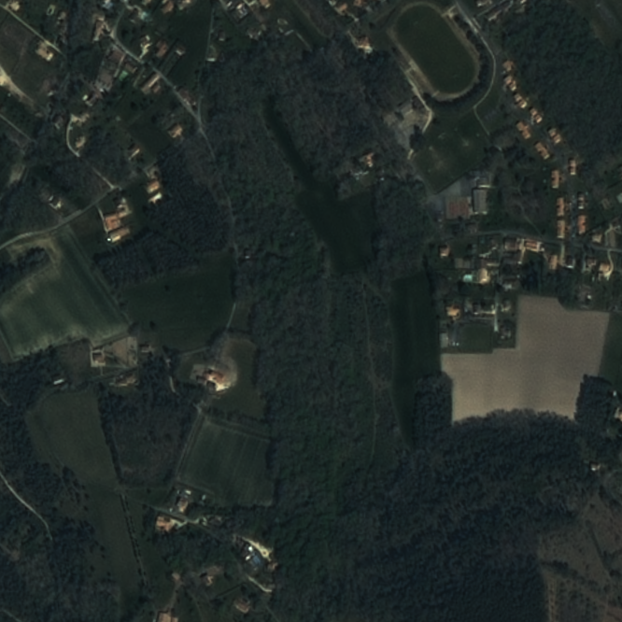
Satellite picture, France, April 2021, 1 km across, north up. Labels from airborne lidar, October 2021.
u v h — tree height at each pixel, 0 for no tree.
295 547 26
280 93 25
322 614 17
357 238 0
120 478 10
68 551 17
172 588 0
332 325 13
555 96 22
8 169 0
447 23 0
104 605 21
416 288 0
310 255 23
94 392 9
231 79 27
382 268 21
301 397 27
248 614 6
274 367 25
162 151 6
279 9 0
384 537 8
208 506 6
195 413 17
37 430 0
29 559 15
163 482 7
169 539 14
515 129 14
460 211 0
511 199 18
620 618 0
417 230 26
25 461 8
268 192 18
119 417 16
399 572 19
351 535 23
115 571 0
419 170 0
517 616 25
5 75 0
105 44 17
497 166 20
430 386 15
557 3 17
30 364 8
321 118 21
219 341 17
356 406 20
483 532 17
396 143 23
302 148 18
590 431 18
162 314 0
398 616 15
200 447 0
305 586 19
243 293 25
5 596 15
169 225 17
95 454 0
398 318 0
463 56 0
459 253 0
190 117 8
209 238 18
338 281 7
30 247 0
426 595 20
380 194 24
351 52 20
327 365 14
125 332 0
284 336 19
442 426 16
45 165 21
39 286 0
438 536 19
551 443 20
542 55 22
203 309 7
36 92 0
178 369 15
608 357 0
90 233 0
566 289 21
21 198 22
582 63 24
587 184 26
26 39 0
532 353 0
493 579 22
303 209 0
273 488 0
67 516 0
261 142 19
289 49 21
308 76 21
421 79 0
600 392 11
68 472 12
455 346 0
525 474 18
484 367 0
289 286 15
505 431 14
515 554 8
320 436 25
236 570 23
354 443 12
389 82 25
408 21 0
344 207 0
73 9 12
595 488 12
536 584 24
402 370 0
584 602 10
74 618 18
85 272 0
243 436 0
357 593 17
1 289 13
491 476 19
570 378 0
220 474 0
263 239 13
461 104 16
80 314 0
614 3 0
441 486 14
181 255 15
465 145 0
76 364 0
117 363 9
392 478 12
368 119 21
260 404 0
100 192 11
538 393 0
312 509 26
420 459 14
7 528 14
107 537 0
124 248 13
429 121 0
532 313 0
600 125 17
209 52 0
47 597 15
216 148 19
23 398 11
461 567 17
